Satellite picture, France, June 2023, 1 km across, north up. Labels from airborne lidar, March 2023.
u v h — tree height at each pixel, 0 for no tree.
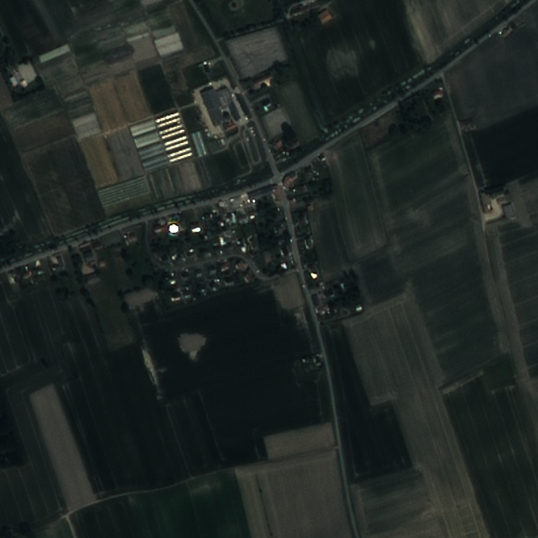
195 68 0
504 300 0
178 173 0
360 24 0
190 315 0
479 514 0
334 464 0
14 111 0
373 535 0
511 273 0
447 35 0
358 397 0
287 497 0
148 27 0
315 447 0
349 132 0
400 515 0
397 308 0
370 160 0
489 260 0
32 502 0
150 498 0
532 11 0
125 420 0
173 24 0
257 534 0
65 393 0
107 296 0
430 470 0
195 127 0
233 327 0
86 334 0
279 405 0
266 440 0
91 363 0
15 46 0
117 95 0
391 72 0
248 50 0
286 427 0
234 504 0
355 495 0
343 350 0
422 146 0
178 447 0
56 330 0
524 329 0
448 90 0
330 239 0
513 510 0
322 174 0
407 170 0
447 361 0
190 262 0
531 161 0
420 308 0
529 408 0
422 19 0
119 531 0
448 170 0
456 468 0
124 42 0
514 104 0
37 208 0
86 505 0
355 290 10
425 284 0
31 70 0
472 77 0
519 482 0
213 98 0
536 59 0
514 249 0
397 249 0
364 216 0
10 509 0
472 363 0
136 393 0
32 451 0
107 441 0
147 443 0
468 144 0
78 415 0
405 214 0
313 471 0
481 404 0
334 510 0
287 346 0
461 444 0
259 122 0
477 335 0
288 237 12
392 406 0
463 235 0
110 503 0
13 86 0
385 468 0
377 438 0
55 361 0
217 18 0
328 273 0
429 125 17
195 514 0
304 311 0
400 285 0
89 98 0
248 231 0
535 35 0
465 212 0
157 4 0
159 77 0
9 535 27
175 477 0
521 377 0
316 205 0
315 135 0
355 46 0
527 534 0
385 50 0
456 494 0
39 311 0
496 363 0
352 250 0
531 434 0
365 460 0
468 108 0
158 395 0
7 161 0
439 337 0
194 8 0
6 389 0
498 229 0
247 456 0
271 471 0
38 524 0
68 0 0
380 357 0
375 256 0
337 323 0
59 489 0
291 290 0
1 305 0
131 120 0
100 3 0
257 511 0
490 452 0
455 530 0
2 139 0
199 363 0
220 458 0
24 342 0
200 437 0
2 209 0
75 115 0
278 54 0
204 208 0
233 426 0
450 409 0
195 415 0
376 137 0
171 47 0
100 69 0
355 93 0
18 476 0
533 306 0
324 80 0
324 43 0
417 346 0
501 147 0
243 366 0
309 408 0
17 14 0
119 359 0
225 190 0
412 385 0
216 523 0
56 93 0
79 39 0
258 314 0
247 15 0
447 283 0
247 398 0
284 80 0
